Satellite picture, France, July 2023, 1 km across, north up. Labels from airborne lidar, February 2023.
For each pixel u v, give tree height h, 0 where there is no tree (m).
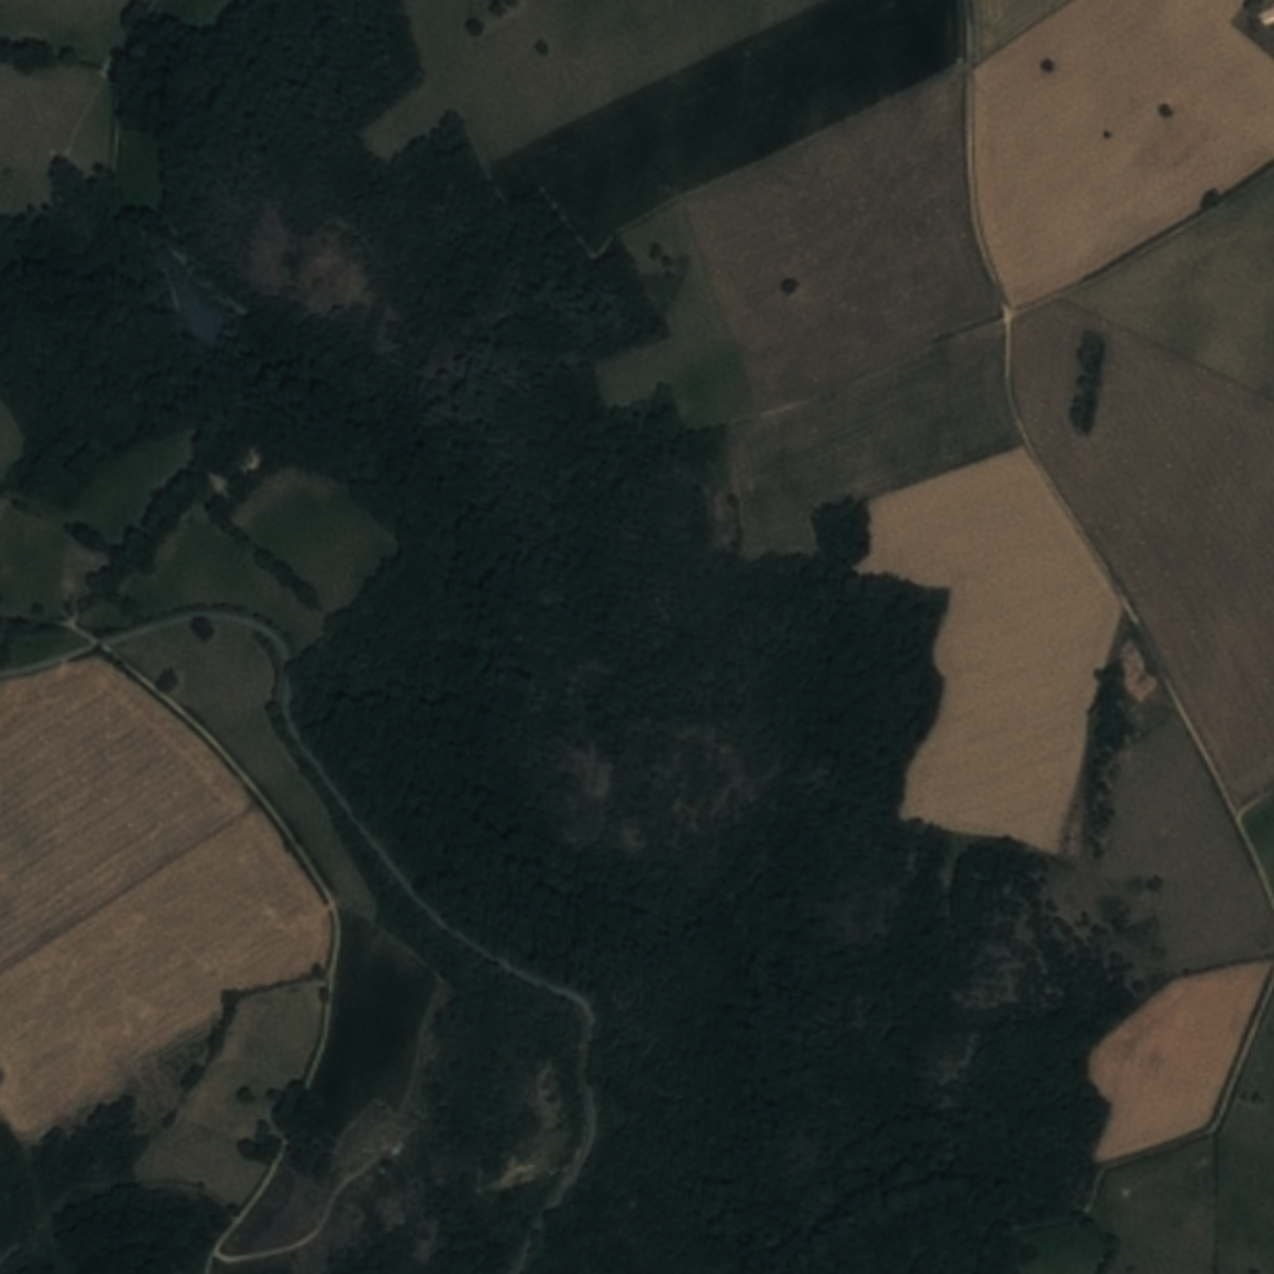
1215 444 0
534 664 19
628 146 0
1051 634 0
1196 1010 0
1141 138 0
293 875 0
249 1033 0
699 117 0
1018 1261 9
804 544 0
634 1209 13
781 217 0
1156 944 0
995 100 0
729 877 13
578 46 0
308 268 0
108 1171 8
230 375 20
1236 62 0
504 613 21
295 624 0
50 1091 0
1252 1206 0
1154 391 0
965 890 12
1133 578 0
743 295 0
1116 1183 0
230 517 18
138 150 0
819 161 0
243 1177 0
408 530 21
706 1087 24
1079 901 0
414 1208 0
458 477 27
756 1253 24
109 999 0
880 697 10
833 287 0
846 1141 7
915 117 0
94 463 21
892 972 11
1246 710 0
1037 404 0
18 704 0
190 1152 0
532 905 18
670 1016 13
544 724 14
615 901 27
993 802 0
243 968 0
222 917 0
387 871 7
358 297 0
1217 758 0
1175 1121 0
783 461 0
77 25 0
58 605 0
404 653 18
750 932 26
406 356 10
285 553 0
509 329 16
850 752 10
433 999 0
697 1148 22
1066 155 0
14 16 0
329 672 20
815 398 0
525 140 0
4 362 18
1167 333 0
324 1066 0
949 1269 12
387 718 16
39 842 0
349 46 13
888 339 0
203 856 0
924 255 0
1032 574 0
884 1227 9
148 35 19
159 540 14
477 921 17
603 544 12
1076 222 0
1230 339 0
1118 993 9
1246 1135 0
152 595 0
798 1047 13
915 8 0
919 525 0
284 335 17
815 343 0
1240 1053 0
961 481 0
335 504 0
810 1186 7
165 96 10
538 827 15
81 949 0
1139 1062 0
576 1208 9
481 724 14
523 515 14
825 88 0
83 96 0
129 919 0
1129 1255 0
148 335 20
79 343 16
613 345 8
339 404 22
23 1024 0
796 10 0
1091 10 0
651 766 8
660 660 8
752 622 7
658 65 0
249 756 0
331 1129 6
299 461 16
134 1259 20
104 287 36
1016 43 0
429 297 12
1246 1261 0
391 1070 0
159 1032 0
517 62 0
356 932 0
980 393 0
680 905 21
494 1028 8
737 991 10
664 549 6
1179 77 0
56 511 0
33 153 0
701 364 0
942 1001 8
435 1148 7
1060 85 0
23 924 0
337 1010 0
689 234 0
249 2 16
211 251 7
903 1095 9
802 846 21
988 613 0
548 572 15
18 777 0
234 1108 0
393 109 10
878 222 0
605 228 0
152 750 0
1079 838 0
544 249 16
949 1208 7
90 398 15
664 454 8
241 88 18
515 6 11
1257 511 0
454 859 16
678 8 0
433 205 9
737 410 0
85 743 0
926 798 0
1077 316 0
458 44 0
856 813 12
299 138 13
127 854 0
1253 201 0
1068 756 0
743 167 0
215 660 0
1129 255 0
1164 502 0
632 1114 10
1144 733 0
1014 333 0
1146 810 0
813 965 17
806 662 11
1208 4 0
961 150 0
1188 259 0
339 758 10
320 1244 0
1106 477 0
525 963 16
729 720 9
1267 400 0
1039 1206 6
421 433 18
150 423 6
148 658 0
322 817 0
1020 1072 17
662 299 0
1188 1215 0
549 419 12
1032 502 0
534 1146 0
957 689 0
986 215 0
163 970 0
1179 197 0
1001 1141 9
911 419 0
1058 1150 9
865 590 22
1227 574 0
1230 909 0
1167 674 0
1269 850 0
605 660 14
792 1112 12
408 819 17
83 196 14
